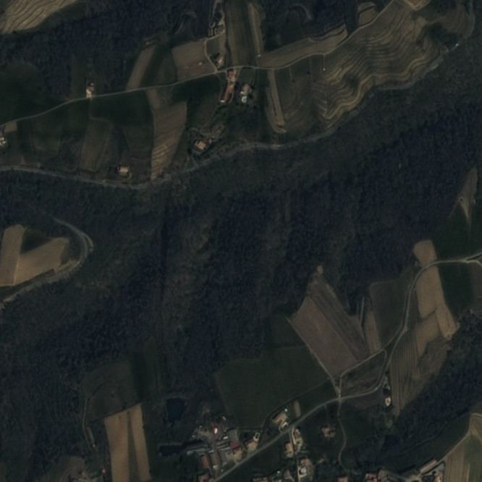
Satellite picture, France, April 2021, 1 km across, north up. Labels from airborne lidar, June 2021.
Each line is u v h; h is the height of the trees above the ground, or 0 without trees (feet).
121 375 0
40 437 58
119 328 61
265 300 48
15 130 0
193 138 19
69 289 29
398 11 0
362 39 0
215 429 0
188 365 73
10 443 43
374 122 62
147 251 94
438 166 57
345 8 45
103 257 44
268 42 0
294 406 0
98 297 54
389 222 39
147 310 40
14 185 72
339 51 0
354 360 0
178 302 27
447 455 0
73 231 48
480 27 47
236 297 66
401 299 0
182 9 49
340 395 0
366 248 65
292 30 0
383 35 0
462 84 50
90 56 36
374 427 26
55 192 90
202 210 68
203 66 0
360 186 93
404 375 0
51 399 49
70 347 45
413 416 74
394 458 21
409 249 36
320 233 40
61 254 0
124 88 0
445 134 74
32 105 0
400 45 0
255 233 63
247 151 25
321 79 0
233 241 63
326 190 73
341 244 51
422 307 0
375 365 0
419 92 36
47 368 42
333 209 75
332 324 0
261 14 0
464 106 100
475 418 0
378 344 0
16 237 0
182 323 64
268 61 0
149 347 0
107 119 0
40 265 0
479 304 0
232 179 46
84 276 42
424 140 82
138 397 0
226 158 63
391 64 0
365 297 30
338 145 40
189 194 48
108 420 0
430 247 0
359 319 0
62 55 45
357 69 0
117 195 55
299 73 0
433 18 0
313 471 0
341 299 23
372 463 49
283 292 41
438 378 30
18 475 20
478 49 49
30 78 0
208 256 61
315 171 71
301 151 47
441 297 0
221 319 57
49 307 46
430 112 72
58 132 0
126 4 109
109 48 51
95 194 70
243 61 0
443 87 42
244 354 37
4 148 0
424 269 0
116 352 41
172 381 59
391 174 61
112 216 68
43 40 64
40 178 64
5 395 43
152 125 0
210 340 45
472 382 40
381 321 0
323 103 0
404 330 0
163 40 0
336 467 54
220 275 64
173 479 0
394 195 65
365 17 0
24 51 66
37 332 67
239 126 30
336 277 47
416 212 73
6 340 34
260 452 0
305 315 0
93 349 44
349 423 0
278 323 0
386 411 25
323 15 62
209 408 0
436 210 48
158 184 38
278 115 0
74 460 0
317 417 0
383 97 58
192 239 32
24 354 80
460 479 0
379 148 66
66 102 0
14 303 40
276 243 54
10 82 0
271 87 0
